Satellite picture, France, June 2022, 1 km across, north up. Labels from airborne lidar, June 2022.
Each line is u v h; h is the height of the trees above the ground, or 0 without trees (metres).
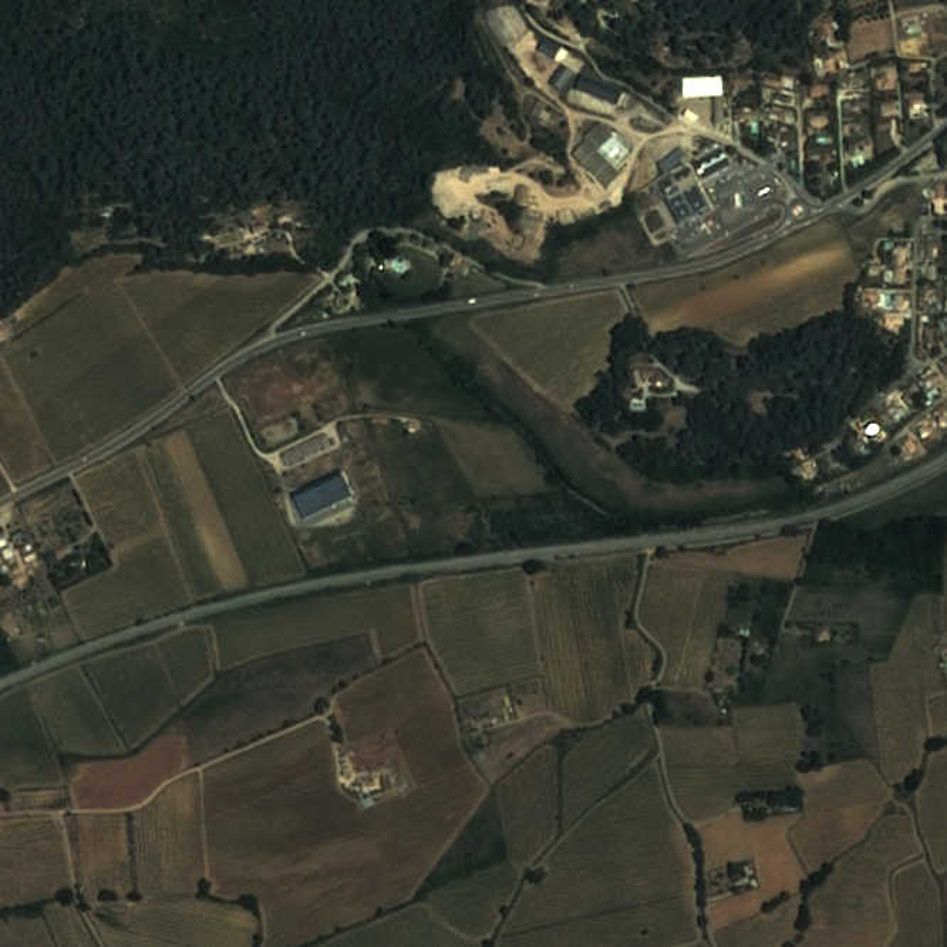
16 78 19
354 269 7
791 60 13
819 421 22
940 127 0
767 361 15
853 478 0
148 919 0
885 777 0
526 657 0
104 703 0
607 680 0
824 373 21
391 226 9
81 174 24
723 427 15
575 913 0
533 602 0
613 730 0
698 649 0
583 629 0
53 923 0
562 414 0
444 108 18
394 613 0
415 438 0
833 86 7
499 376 0
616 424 17
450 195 0
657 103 7
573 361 0
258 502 0
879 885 0
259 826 0
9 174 17
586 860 0
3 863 0
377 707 0
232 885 0
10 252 15
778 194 0
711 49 20
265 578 0
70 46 17
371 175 22
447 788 0
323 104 21
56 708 0
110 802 0
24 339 0
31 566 0
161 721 0
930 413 0
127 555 0
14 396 0
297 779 0
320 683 0
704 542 0
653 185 0
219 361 0
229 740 0
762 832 0
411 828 0
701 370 20
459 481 0
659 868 0
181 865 0
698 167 0
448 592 0
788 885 0
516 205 8
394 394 0
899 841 0
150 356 0
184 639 0
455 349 0
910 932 0
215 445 0
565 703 0
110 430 0
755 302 0
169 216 16
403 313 0
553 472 7
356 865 0
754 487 0
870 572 6
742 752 0
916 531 15
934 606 0
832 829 0
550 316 0
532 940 0
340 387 0
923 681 0
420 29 15
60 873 0
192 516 0
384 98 19
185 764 0
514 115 10
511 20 0
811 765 10
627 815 0
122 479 0
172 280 0
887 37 0
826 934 0
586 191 0
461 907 0
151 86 18
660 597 0
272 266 15
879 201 0
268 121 25
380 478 0
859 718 0
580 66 0
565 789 0
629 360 9
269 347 0
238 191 18
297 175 21
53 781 0
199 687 0
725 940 0
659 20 11
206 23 18
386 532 0
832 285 0
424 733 0
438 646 0
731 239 0
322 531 0
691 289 0
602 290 0
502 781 0
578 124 0
